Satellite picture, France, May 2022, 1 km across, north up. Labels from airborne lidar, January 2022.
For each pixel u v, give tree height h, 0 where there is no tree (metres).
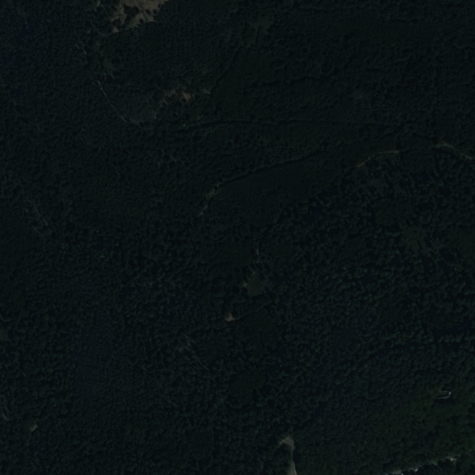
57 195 31
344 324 21
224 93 11
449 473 25
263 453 24
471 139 25
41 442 19
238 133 11
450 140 23
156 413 21
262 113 12
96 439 24
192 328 29
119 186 21
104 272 26
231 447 28
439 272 34
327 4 28
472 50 17
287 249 16
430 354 26
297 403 7
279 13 11
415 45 16
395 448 30
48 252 22
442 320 13
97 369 19
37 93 22
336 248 15
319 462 21
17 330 15
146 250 32
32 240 15
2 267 20
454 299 37
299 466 21
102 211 20
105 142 22
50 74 17
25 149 29
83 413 17
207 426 25
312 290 29
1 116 27
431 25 17
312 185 15
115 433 26
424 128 25
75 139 26
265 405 25
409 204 10
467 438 28
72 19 20
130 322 28
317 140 16
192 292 28
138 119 12
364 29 21
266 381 26
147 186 23
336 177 15
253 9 9
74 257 24
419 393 24
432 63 13
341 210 33
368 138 23
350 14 19
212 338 20
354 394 18
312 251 30
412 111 26
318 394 29
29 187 20
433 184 38
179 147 17
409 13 22
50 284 24
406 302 22
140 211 18
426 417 26
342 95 17
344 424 23
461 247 19
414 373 33
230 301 26
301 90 25
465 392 18
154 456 25
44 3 24
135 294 16
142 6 0
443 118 25
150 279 27
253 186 11
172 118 21
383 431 21
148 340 23
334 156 16
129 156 21
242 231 10
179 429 21
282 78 9
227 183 8
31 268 16
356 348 17
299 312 28
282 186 17
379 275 18
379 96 21
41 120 26
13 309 10
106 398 19
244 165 9
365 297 29
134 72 7
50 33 19
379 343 25
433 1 23
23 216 11
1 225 16
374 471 27
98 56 13
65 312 25
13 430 22
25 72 22
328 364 24
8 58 33
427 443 29
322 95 26
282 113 10
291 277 15
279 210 17
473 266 18
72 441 27
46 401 31
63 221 29
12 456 20
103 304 17
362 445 22
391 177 35
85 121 17
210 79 9
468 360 26
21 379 24
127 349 22
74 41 17
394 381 21
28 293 27
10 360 18
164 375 21
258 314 18
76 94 16
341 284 29
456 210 38
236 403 31
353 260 16
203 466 27
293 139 15
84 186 21
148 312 31
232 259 14
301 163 12
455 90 26
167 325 27
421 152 20
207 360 14
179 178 22
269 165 16
